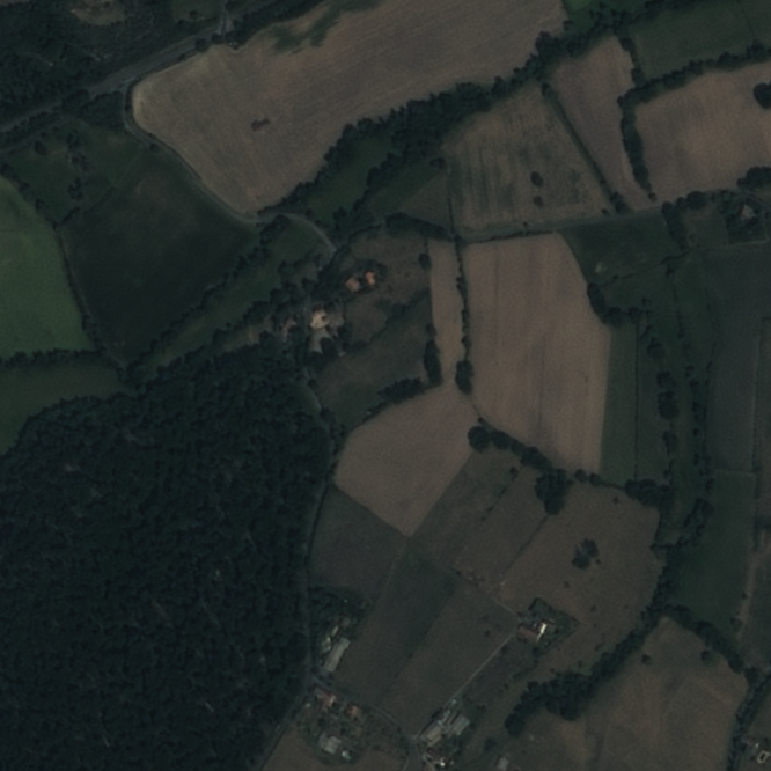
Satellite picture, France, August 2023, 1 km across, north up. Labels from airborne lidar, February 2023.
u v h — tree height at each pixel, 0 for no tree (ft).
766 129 0
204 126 0
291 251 0
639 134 40
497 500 0
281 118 0
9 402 0
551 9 0
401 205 0
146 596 91
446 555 0
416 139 64
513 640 0
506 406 0
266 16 54
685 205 46
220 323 0
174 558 23
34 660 68
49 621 76
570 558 0
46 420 45
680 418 51
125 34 20
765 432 0
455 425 0
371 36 0
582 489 0
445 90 0
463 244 38
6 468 69
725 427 0
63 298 0
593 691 29
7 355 0
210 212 0
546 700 58
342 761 0
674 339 0
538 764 0
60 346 0
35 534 79
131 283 0
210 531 84
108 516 81
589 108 0
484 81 0
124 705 25
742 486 0
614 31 30
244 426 81
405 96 0
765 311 0
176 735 84
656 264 0
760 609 0
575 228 0
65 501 74
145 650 95
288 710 20
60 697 83
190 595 71
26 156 0
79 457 86
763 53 65
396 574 0
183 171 0
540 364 0
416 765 0
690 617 51
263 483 89
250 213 0
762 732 0
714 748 0
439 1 0
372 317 0
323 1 33
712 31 0
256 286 0
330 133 0
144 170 0
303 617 66
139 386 59
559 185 0
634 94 38
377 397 0
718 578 0
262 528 102
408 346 0
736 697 0
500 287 0
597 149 0
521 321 0
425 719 0
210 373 45
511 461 0
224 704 77
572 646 0
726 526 0
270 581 85
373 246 0
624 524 0
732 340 0
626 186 0
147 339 0
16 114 75
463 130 0
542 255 0
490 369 0
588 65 0
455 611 0
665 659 0
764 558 0
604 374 0
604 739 0
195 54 0
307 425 77
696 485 0
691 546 58
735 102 0
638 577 0
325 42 0
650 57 0
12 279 0
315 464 68
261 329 0
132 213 0
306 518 52
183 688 77
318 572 0
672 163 0
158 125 0
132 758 85
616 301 0
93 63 52
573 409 0
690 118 0
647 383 0
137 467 89
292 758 0
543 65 35
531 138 0
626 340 0
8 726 87
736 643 0
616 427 0
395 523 0
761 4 0
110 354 58
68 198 0
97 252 0
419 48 0
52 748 75
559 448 0
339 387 0
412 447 0
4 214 0
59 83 42
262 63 0
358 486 0
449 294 0
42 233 0
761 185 59
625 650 36
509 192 0
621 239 0
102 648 22
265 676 75
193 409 41
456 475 0
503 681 0
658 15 0
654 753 0
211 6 0
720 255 0
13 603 78
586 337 0
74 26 25
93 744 82
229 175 0
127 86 0
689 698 0
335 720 0
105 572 85
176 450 35
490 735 0
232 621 91
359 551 0
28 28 34
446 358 0
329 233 0
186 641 73
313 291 50
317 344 28
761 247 0
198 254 0
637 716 0
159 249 0
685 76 39
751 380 0
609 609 0
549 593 0
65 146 0
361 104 0
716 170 0
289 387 61
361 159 0
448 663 0
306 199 48
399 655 0
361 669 0
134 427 82
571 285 0
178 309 0
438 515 0
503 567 0
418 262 0
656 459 0
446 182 0
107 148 0
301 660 53
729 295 0
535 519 0
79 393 0
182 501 86
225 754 73
